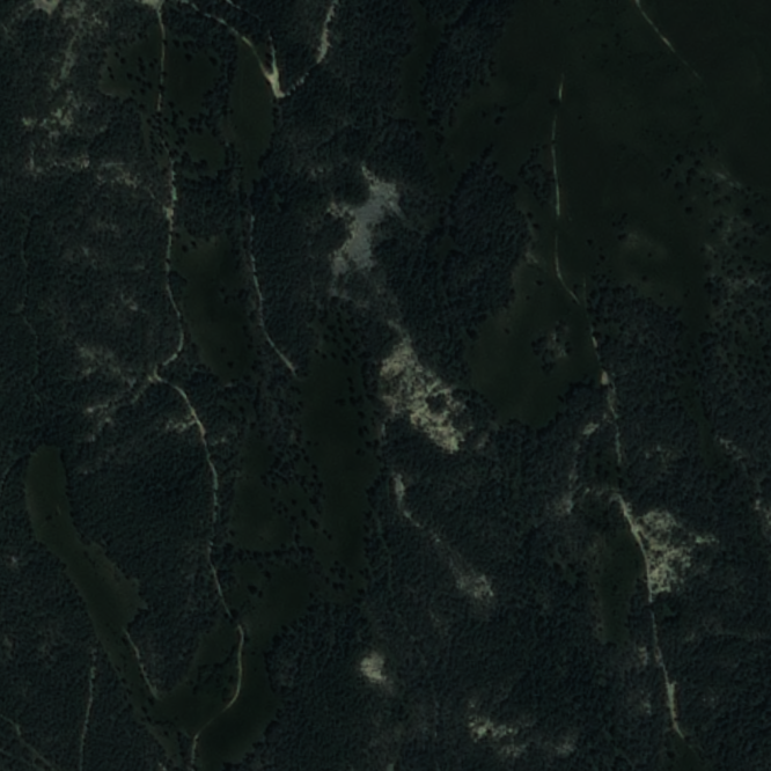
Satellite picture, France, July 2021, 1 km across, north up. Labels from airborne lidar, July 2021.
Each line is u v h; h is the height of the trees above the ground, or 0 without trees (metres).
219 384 14
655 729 10
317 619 15
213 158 0
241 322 0
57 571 9
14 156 8
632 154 0
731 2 0
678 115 0
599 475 13
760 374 12
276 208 22
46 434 21
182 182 12
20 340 10
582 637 10
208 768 0
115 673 11
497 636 13
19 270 13
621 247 0
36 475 0
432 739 9
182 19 16
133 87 0
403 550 11
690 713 9
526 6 0
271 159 16
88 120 8
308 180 11
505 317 0
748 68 0
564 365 0
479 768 14
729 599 10
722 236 0
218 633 0
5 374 9
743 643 10
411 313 15
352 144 16
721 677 14
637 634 7
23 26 8
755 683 10
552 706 13
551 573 16
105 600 0
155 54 0
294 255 8
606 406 8
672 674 6
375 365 10
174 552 12
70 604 11
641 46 0
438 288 21
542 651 14
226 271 0
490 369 0
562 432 10
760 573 14
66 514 0
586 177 0
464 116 0
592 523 12
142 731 8
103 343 9
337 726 13
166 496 18
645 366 10
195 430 8
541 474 9
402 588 9
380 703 9
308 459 11
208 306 0
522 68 0
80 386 10
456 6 16
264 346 7
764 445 11
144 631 6
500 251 17
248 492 0
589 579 6
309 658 8
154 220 8
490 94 0
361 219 0
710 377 10
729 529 18
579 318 0
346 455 0
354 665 9
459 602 11
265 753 10
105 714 8
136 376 10
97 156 8
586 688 22
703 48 0
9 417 12
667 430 11
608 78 0
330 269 7
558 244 0
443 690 10
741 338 12
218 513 11
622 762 15
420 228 10
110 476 8
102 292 9
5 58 8
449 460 11
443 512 10
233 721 0
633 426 9
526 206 0
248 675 0
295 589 0
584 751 13
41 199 10
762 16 0
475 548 10
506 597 8
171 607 11
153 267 8
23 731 8
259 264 11
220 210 15
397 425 11
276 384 12
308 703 9
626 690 7
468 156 0
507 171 0
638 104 0
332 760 11
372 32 10
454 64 17
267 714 0
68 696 9
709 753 8
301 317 11
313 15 6
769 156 0
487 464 17
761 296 9
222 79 9
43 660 9
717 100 0
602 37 0
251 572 0
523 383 0
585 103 0
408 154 21
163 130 15
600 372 0
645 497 12
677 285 0
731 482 10
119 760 10
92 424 9
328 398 0
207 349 0
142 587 7
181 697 0
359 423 0
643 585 8
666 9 0
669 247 0
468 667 10
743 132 0
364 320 15
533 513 11
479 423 11
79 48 7
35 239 11
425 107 9
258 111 0
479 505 11
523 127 0
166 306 6
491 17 17
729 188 0
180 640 9
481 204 14
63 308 7
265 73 0
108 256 8
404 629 6
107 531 6
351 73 10
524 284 0
